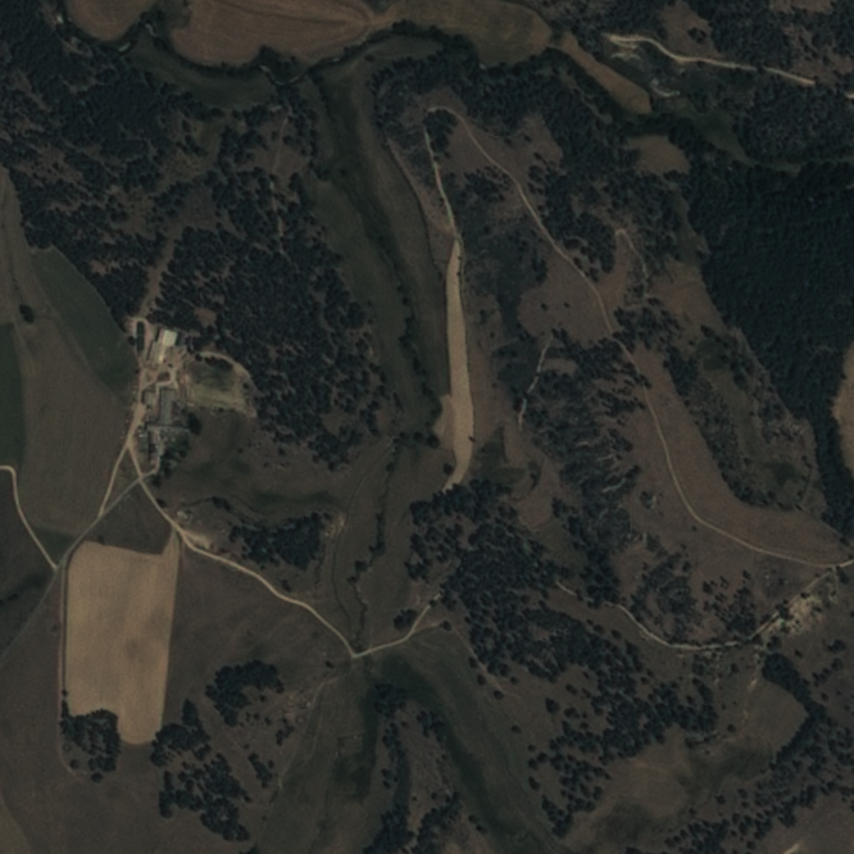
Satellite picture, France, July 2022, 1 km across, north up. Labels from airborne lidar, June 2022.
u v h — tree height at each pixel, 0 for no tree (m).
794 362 10
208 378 0
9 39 13
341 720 0
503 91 15
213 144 0
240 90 0
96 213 19
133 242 20
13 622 0
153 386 0
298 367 24
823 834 0
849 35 11
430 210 0
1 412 0
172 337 0
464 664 0
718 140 0
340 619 0
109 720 16
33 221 14
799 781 0
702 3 13
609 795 0
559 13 0
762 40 13
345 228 0
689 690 0
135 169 15
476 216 0
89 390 0
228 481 0
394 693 15
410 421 0
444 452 0
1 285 0
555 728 0
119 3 0
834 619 0
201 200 0
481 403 0
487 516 16
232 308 19
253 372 17
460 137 0
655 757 0
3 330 0
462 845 0
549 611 13
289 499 0
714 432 0
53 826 0
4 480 0
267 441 0
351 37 0
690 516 0
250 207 17
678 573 0
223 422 0
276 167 0
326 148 0
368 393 11
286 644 0
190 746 13
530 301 0
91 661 0
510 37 0
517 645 12
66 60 16
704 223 18
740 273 15
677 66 0
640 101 0
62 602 0
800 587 0
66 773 0
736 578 0
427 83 6
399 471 0
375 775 0
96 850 0
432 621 0
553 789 0
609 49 0
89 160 16
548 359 0
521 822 0
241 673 23
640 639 0
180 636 0
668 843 8
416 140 0
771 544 0
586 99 7
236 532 13
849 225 10
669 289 0
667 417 0
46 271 0
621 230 0
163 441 0
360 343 11
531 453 0
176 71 0
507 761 0
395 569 0
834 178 14
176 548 0
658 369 0
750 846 10
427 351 0
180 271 21
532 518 0
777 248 18
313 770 0
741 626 14
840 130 9
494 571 17
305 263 13
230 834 17
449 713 0
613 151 13
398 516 0
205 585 0
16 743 0
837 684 0
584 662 18
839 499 13
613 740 17
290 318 21
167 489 0
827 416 15
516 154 0
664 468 0
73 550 0
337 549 0
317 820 0
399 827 12
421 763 0
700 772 0
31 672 0
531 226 0
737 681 0
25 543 0
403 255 0
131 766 0
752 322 12
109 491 0
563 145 12
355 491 0
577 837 0
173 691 0
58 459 0
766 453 0
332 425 0
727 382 0
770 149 9
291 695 0
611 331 0
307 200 15
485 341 0
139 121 13
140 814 0
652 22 10
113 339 0
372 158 0
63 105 16
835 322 15
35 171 11
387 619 0
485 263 0
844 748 11
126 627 0
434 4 0
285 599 0
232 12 0
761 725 0
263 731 0
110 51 14
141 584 0
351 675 0
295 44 0
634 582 0
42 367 0
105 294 10
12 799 0
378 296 0
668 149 0
